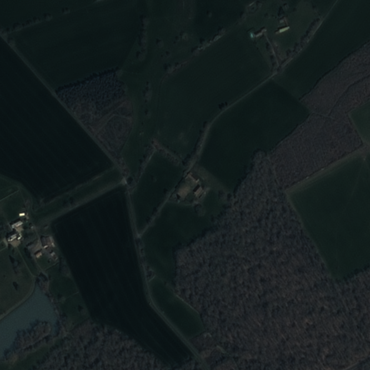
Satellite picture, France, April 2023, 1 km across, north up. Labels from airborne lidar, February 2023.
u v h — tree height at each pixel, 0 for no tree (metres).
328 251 0
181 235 0
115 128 0
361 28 0
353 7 0
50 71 0
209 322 23
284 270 27
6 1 0
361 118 0
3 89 0
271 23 0
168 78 0
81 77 0
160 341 0
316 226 0
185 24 0
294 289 25
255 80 0
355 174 0
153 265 0
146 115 13
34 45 0
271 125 0
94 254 0
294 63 0
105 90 20
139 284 0
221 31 17
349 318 28
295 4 0
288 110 0
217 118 0
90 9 0
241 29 0
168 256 0
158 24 0
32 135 0
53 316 0
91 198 0
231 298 26
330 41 0
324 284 27
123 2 0
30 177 0
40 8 0
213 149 0
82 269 0
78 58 0
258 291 25
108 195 0
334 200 0
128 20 0
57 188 0
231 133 0
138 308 0
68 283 0
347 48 0
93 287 0
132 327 0
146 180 0
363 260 0
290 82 0
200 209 18
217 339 21
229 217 23
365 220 0
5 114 0
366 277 22
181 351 0
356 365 0
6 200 0
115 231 0
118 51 0
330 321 25
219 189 0
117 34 0
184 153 0
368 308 24
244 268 27
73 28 0
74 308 0
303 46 13
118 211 0
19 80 0
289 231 26
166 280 0
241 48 0
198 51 9
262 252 21
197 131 0
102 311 0
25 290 0
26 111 0
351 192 0
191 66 0
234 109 0
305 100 7
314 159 9
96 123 0
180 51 0
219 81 0
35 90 0
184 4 0
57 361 20
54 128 0
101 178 0
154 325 0
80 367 9
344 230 0
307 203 0
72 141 0
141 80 0
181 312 0
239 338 29
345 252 0
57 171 0
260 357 25
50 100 0
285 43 0
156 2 0
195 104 0
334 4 0
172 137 0
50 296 19
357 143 7
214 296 22
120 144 0
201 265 20
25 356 25
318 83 9
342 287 26
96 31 0
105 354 24
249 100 0
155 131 0
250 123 0
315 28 16
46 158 0
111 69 0
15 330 0
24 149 0
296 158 7
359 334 28
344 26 0
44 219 0
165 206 0
